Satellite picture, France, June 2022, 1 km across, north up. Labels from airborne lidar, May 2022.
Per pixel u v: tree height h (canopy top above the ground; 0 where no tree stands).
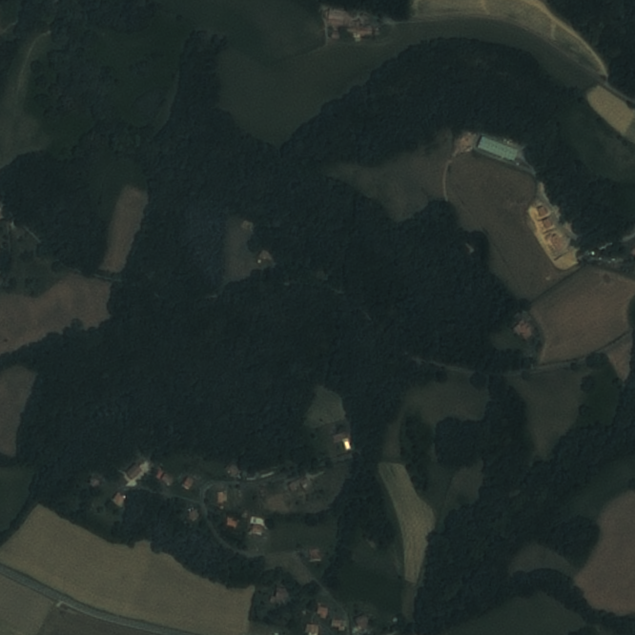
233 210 12
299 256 25
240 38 0
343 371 18
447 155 0
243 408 23
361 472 19
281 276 23
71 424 28
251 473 15
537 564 0
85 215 13
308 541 0
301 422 18
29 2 17
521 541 17
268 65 0
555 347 0
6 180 24
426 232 16
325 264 16
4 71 10
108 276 9
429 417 0
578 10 17
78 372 27
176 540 19
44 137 0
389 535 12
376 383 22
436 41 9
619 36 23
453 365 8
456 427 23
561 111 11
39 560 0
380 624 0
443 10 0
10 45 16
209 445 23
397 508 0
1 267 16
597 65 0
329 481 0
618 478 0
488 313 12
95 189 0
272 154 30
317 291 16
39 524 0
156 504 22
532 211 0
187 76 18
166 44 0
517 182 0
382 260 22
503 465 23
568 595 21
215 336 15
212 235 15
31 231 7
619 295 0
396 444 0
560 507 7
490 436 23
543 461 12
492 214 0
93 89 14
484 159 0
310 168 24
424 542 0
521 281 0
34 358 24
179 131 22
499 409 22
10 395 0
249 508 0
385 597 0
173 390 21
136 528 23
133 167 0
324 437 0
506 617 0
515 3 0
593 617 22
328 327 22
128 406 21
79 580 0
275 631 0
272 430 29
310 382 15
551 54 0
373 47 0
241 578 12
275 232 24
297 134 15
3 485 0
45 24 17
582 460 21
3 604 0
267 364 17
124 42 0
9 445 0
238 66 0
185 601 0
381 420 19
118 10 12
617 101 0
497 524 30
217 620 0
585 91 0
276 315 27
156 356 16
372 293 16
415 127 27
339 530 6
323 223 10
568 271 0
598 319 0
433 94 23
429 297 22
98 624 0
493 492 27
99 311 0
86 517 10
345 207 26
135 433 25
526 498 24
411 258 27
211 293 13
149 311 22
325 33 0
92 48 11
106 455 21
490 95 25
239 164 23
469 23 0
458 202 0
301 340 24
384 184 0
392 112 27
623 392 10
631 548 0
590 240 15
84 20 15
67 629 0
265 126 0
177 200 21
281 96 0
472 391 0
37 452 23
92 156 14
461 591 31
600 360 19
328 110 21
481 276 20
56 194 15
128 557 0
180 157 21
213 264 12
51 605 0
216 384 24
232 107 0
